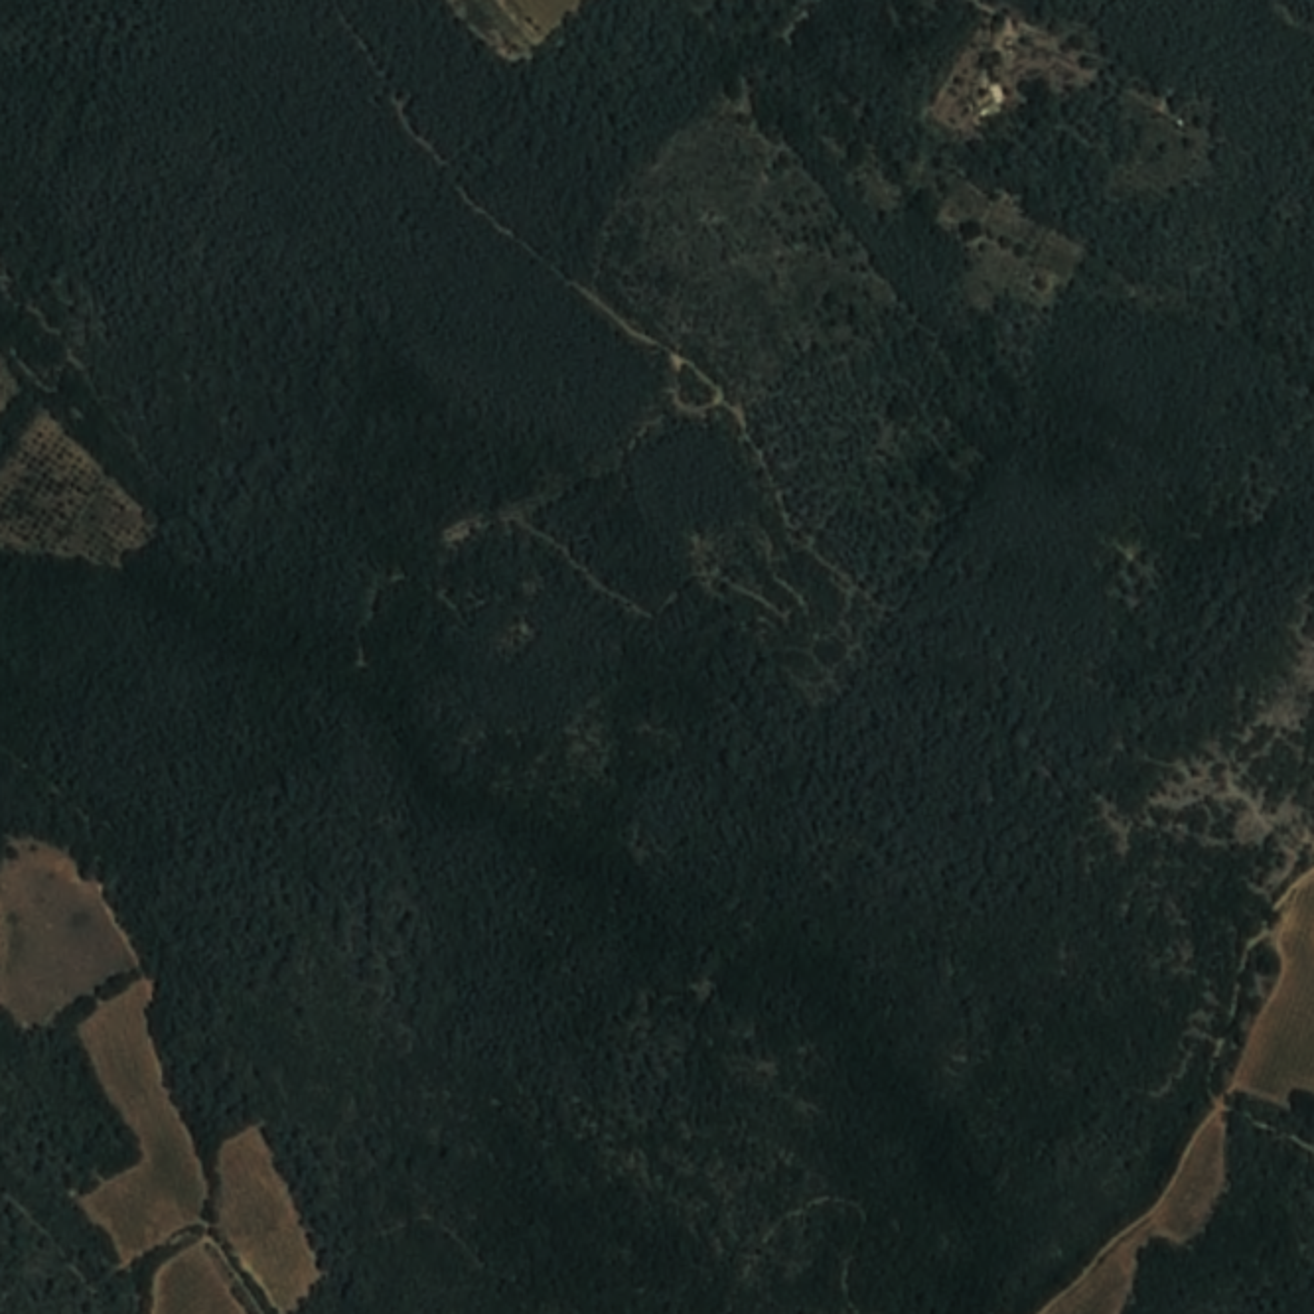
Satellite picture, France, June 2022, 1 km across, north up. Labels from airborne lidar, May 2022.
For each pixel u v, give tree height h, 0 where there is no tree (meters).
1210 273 7
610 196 16
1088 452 12
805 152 16
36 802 15
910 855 16
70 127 12
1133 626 10
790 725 15
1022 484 15
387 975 14
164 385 8
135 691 12
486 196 15
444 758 12
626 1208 6
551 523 15
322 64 15
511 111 16
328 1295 15
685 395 7
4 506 6
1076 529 14
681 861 12
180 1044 13
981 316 8
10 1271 7
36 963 0
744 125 12
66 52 9
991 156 16
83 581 12
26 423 15
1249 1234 7
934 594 13
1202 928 8
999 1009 9
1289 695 0
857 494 9
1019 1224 6
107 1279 13
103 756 14
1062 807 14
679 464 14
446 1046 7
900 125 20
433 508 10
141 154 14
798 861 9
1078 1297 0
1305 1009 0
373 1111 7
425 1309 7
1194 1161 0
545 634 17
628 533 12
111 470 9
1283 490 14
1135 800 9
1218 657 11
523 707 15
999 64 7
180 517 13
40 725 14
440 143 15
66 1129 5
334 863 14
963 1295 10
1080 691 16
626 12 18
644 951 17
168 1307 0
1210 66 12
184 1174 0
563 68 14
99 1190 8
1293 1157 8
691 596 11
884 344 13
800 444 14
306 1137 13
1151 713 13
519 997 15
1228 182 11
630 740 9
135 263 16
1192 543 11
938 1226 6
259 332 6
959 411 12
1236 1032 15
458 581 13
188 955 9
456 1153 16
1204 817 8
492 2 0
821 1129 7
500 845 13
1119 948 6
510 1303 6
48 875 0
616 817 9
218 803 9
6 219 12
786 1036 8
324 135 16
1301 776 8
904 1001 6
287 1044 6
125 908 11
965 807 16
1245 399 16
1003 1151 6
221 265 16
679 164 0
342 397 13
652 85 16
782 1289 6
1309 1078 0
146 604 9
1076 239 16
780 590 7
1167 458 13
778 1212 7
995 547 15
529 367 13
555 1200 8
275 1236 0
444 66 13
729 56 12
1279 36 17
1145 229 13
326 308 13
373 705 7
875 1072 11
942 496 14
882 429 17
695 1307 10
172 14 15
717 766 7
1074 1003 9
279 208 16
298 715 8
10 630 13
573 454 13
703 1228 9
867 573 14
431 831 12
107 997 10
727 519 15
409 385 9
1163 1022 7
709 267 7
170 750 13
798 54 14
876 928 8
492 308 16
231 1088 15
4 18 9
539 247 15
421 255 17
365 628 11
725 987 13
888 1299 7
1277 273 12
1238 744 9
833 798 15
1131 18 10
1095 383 14
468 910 6
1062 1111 9
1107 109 14
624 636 14
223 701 13
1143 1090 12
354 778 15
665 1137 9
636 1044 10
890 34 12
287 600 10
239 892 14
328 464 18
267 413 6
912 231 15
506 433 7
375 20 15
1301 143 15
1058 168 18
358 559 17
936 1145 13
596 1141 12
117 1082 0
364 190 16
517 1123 6
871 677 15
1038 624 15
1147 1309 6
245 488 16
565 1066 14
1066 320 11
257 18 16
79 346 6
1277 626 14
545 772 8
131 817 10
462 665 13
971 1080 6
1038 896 7
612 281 6
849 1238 7
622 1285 10
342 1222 10
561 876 12
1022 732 18
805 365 15
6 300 19
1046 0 12
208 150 15
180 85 16
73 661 12
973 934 6
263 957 14
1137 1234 0
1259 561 11
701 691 7
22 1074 7
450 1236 8
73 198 16
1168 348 12
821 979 10
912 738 17
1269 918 13
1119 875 5
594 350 14
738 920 11
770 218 9
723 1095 13
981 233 10
